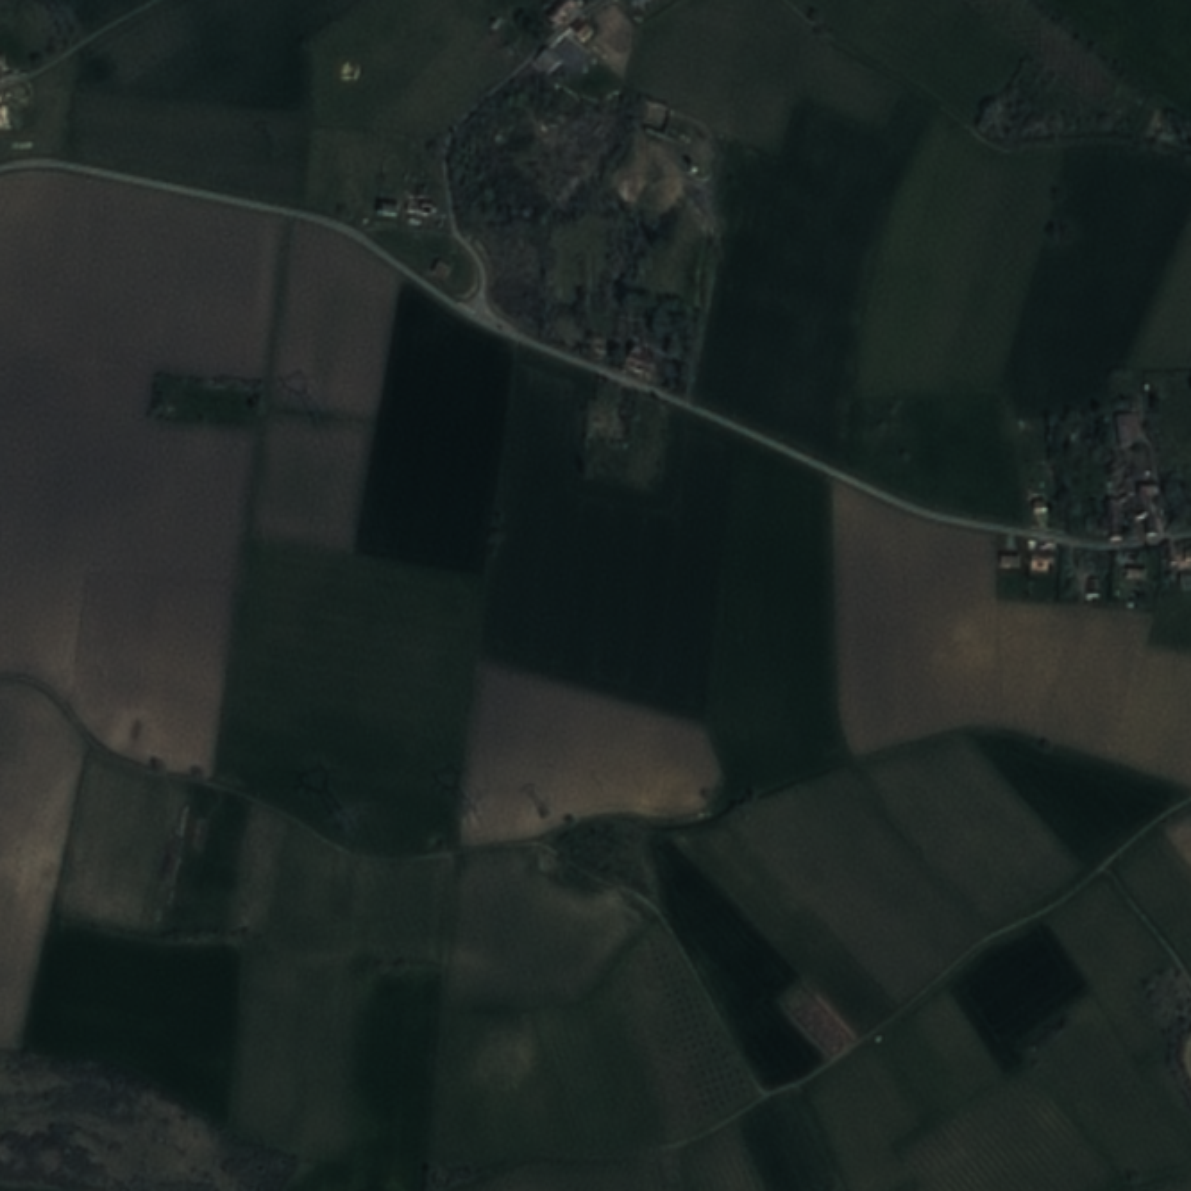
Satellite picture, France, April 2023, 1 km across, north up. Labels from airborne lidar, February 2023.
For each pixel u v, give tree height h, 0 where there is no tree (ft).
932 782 0
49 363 0
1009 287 0
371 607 0
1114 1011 0
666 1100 0
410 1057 0
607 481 0
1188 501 54
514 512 0
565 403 0
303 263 0
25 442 0
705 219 0
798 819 0
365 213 0
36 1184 0
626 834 0
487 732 0
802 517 0
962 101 0
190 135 0
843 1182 0
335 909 0
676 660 0
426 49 0
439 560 0
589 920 0
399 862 0
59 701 0
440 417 0
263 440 0
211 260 0
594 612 0
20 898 0
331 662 0
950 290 0
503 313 0
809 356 0
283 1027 0
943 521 0
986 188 0
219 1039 0
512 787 0
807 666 0
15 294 0
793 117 0
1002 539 0
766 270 0
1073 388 0
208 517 0
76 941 0
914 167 0
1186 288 0
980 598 0
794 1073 0
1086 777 0
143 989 0
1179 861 0
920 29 0
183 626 0
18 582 0
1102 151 0
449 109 0
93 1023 0
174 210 0
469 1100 0
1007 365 0
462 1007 0
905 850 0
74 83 0
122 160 0
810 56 0
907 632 0
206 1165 0
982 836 0
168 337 0
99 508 0
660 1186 0
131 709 0
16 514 0
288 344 0
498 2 0
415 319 0
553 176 0
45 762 0
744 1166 0
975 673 0
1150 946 0
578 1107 0
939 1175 0
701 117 0
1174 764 0
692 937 0
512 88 20
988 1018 0
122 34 0
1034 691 0
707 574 0
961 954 0
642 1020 0
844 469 0
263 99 0
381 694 0
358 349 0
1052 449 24
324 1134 0
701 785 0
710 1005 0
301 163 0
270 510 0
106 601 0
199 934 27
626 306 66
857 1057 0
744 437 0
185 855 0
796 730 0
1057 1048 0
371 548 0
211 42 0
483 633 0
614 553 0
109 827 0
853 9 0
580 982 0
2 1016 0
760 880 0
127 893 0
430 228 0
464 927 0
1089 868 0
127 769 0
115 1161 0
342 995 0
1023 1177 0
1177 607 0
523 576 0
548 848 0
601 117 52
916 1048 0
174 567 0
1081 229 0
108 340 0
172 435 0
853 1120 0
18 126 0
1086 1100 0
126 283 0
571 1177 0
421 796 0
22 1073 29
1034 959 0
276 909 0
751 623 0
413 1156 0
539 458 0
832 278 0
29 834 0
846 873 0
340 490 0
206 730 0
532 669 0
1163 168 0
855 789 0
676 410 0
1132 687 0
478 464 0
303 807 0
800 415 0
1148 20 0
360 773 0
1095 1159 0
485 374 0
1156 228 0
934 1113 0
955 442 0
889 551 0
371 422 0
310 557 0
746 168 0
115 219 0
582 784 0
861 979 0
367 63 0
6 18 0
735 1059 0
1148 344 0
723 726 0
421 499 0
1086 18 0
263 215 0
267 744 0
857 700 0
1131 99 0
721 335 0
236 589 0
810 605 0
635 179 0
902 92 0
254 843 0
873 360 0
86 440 0
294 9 0
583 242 0
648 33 0
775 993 0
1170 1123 0
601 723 0
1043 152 0
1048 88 20
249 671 0
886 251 0
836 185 0
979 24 0
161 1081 0
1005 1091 0
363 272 0
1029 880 0
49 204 0
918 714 0
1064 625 0
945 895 0
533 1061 0
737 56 0
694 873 0
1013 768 0
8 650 0
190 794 0
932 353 0
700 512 0
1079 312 0
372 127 0
